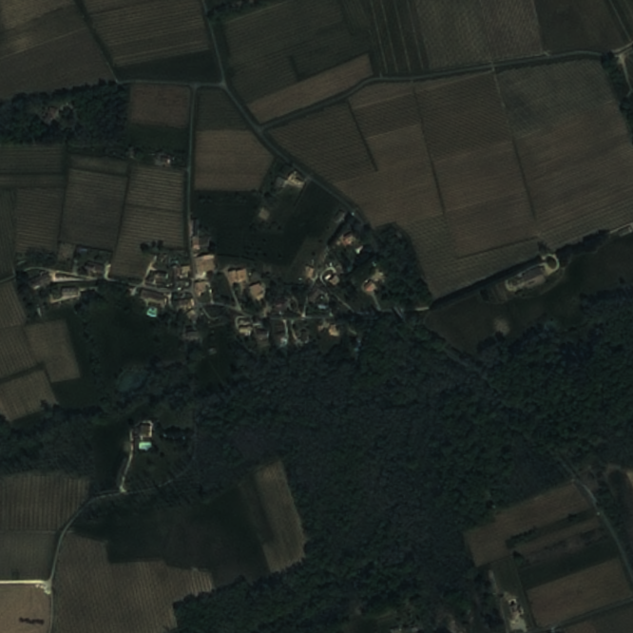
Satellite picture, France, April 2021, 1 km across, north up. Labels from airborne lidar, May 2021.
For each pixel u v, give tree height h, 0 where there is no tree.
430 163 0
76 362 0
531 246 0
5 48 0
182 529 0
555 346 26
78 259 9
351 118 0
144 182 0
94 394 0
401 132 0
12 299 0
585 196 0
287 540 0
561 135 0
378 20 0
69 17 0
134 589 0
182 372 19
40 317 7
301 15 0
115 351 0
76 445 27
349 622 14
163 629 0
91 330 14
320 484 17
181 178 0
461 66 0
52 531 0
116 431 0
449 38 0
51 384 0
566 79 0
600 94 0
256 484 0
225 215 0
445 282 0
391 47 0
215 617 18
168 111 0
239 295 8
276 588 23
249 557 0
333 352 7
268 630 28
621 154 0
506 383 25
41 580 0
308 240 0
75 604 0
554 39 0
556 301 0
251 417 19
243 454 19
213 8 0
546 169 0
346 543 19
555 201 0
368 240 13
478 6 0
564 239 0
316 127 0
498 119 0
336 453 18
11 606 0
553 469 22
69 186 0
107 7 0
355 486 16
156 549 0
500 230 0
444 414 22
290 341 10
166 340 0
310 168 0
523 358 27
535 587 0
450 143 0
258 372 24
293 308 8
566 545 0
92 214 0
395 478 26
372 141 0
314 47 0
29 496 0
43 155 0
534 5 0
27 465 27
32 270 0
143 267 0
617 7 0
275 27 0
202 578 0
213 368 0
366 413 26
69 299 0
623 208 0
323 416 26
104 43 0
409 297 16
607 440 16
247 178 0
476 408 25
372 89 0
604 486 13
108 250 0
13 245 0
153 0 0
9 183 0
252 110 0
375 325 15
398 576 24
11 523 0
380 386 25
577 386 22
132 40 0
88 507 14
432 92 0
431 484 21
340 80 0
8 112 16
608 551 0
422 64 0
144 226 0
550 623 0
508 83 0
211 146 0
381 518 23
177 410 32
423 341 9
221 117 0
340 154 0
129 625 0
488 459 22
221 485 23
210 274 9
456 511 20
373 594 21
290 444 19
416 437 20
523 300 0
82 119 18
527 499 16
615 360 25
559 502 0
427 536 27
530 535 8
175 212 0
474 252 0
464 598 22
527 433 24
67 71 0
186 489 30
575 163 0
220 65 0
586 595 0
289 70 0
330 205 0
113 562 0
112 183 0
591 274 0
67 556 0
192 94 0
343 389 24
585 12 0
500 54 0
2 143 13
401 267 12
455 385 18
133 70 0
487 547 0
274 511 0
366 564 22
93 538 0
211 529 0
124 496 30
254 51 0
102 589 0
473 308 0
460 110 0
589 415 18
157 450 9
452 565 23
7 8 0
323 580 22
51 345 0
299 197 0
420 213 0
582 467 19
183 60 0
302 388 26
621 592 0
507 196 0
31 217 0
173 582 0
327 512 17
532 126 0
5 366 0
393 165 0
